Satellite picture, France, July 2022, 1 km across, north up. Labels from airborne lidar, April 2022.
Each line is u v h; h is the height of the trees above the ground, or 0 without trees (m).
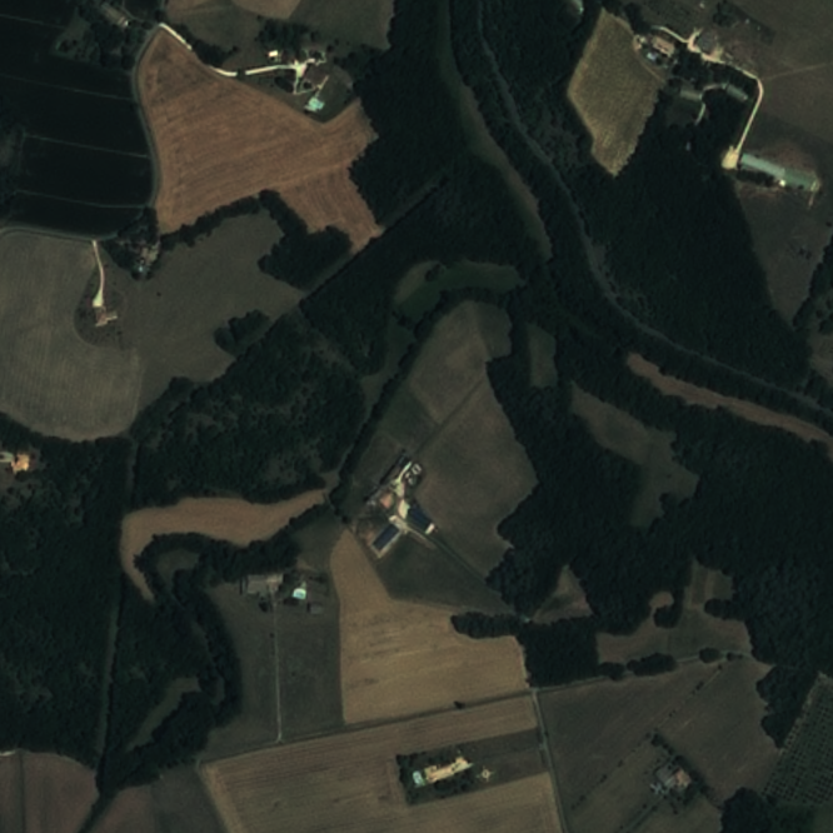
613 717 0
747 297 14
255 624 0
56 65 0
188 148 0
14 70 0
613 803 0
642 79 0
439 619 0
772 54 0
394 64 19
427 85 17
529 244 20
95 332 0
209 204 0
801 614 29
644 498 0
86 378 0
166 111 0
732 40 0
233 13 0
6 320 0
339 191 0
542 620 0
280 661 0
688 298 12
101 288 0
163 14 14
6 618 13
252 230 0
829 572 22
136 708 16
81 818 0
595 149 0
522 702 0
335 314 8
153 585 7
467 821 0
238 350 0
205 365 0
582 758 0
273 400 8
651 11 0
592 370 17
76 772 0
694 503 13
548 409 21
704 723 0
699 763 0
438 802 0
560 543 16
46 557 13
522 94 10
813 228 0
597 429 0
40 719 16
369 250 14
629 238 13
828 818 0
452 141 23
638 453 0
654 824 0
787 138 0
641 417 10
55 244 0
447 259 20
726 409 18
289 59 0
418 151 18
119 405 0
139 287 0
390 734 0
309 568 0
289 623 0
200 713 20
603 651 0
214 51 15
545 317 12
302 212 0
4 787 0
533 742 0
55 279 0
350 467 15
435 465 0
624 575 24
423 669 0
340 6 0
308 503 0
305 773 0
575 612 0
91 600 18
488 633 16
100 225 0
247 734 0
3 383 0
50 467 8
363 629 0
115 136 0
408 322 22
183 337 0
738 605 19
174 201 0
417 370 0
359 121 0
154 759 21
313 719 0
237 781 0
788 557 19
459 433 0
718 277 15
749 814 24
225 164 0
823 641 20
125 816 0
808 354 15
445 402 0
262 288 0
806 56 0
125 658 12
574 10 0
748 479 13
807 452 20
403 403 0
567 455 17
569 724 0
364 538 0
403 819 0
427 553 0
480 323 0
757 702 0
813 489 16
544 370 0
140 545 0
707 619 0
